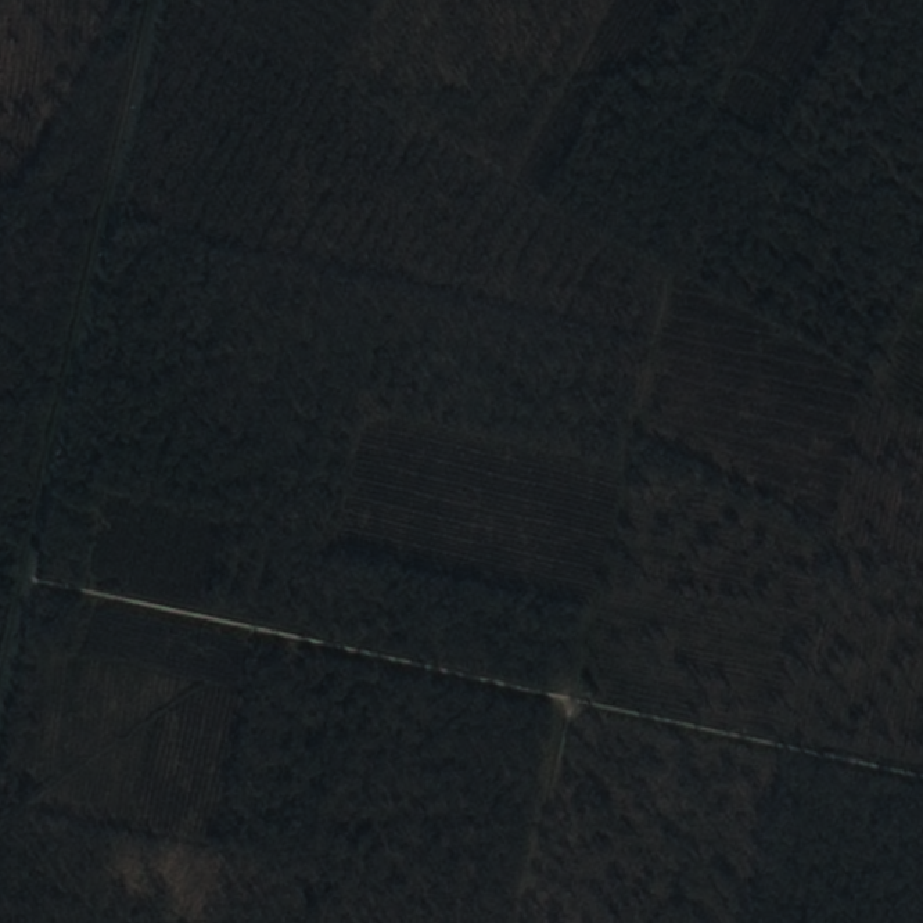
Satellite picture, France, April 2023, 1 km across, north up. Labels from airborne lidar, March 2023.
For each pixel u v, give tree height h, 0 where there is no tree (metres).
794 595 0
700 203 22
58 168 24
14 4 0
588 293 14
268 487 22
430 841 25
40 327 24
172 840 22
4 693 0
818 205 21
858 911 22
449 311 23
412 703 29
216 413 27
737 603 28
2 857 21
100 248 0
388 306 23
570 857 22
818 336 27
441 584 26
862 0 23
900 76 16
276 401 24
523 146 16
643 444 19
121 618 9
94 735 0
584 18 17
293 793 24
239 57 17
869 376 27
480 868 26
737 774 27
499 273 17
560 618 27
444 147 15
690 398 0
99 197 15
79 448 26
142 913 20
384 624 15
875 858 22
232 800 18
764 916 25
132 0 21
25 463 24
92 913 23
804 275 29
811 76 25
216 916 21
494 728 21
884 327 24
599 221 21
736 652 0
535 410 25
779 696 0
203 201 19
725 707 0
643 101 27
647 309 15
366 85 15
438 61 17
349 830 22
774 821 27
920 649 0
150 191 15
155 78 13
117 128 12
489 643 20
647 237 17
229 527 26
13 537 16
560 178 21
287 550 28
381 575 25
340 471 26
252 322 26
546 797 21
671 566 0
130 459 29
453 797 27
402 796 27
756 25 18
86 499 23
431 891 23
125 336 24
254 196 19
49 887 23
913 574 24
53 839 20
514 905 26
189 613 0
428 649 24
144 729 0
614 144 23
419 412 22
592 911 0
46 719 0
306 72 14
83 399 29
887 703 0
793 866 26
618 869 0
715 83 25
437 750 24
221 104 15
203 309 28
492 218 12
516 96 16
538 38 14
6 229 26
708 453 0
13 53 0
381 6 15
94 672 0
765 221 29
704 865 27
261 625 21
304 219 16
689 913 25
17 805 22
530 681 21
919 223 26
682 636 0
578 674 0
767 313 24
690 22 14
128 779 0
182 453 25
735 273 27
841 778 25
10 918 20
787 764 24
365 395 28
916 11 24
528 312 21
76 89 26
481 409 19
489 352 19
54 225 24
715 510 0
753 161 22
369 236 13
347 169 12
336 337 23
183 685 0
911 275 24
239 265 27
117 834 19
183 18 14
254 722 25
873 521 0
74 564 25
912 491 24
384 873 22
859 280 22
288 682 27
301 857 22
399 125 16
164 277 22
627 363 24
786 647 0
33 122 26
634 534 26
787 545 0
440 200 17
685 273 18
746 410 0
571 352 26
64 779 0
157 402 23
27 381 25
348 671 23
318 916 21
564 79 15
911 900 25
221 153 16
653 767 25
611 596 27
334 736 27
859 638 0
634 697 0
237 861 22
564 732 0
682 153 25
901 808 26
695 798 25
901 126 22
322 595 29
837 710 0
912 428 0
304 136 15
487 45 16
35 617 25
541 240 15
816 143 19
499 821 22
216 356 24
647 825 23
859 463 24
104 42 20
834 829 22
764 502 20
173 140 13
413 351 23
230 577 24
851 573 30
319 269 22
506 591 25
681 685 0
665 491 28
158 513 11
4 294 23
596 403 24
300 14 14
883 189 27
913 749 25
